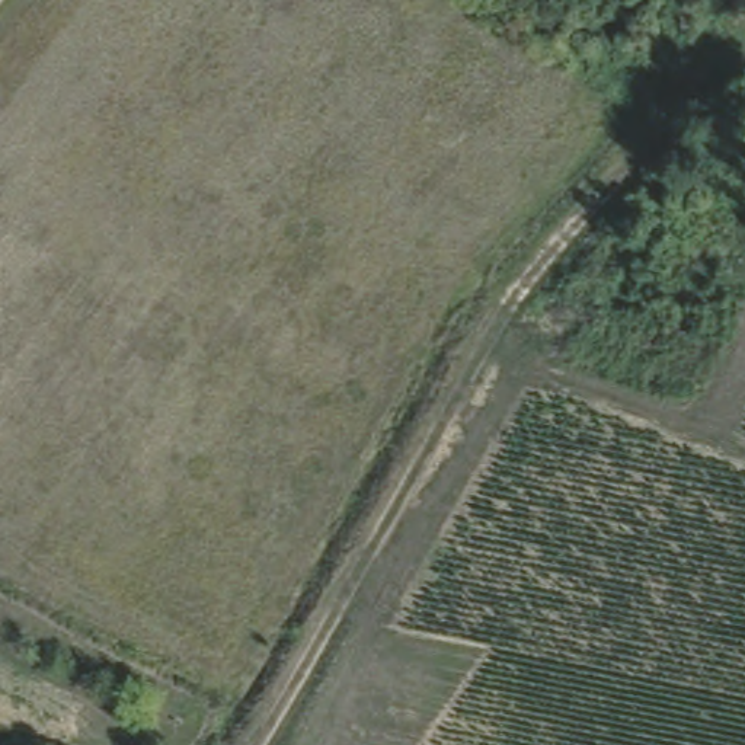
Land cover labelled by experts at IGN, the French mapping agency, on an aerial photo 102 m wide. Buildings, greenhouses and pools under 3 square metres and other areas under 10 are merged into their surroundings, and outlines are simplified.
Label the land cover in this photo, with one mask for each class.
<instances>
[{"label":"agricultural land","instance_id":"1","mask_svg":"<svg viewBox=\"0 0 745 745\"><path fill-rule=\"evenodd\" d=\"M605 108L597 102V93L585 90L582 79L565 76L562 67L533 64L527 55H521L518 47H506L503 41L492 38L489 26L466 20V15L454 9L448 0H0V576L12 579L20 591L38 594L44 602L73 614L76 620H87L96 629H113L122 640H131L134 646L169 655L166 664L175 675H186L215 690L227 687L244 696L259 669L265 666L282 632V623L294 611L308 573L320 562L335 527L340 524L352 501V492L361 486L375 454L381 451V439L393 428L399 407L407 405L422 387L434 352L439 349L451 355V349H457L469 338L471 323L483 314L486 297L503 294V288L538 250V244L567 215H582L585 227L599 236H629L640 221V183L649 172H655L646 157L643 163H626V151L605 131Z\"/></svg>","mask_w":745,"mask_h":745},{"label":"herbaceous vegetation","instance_id":"2","mask_svg":"<svg viewBox=\"0 0 745 745\"><path fill-rule=\"evenodd\" d=\"M585 227L582 215H567L538 244V250L503 288V294L486 297L483 314L471 323L469 338L457 349H451V355L439 349L434 352L422 387L407 405L399 407L393 428L381 439V451L375 454L361 486L352 492V501L340 524L335 527L320 562L308 573L294 611L282 623V632L265 666L259 669L244 696L227 687L215 690L186 675H175L166 664L169 655L134 646L131 640H122L113 629H96L87 620H76L73 614L44 602L38 594L20 591L12 579L0 576V728L20 722L29 725L35 733L64 745H105L108 730H113L111 716L96 701L84 698V690L49 684L35 669L38 640L44 637L70 643L90 658L125 664L128 669L151 678L157 684L154 690H160L163 698L157 728L146 730L151 745H486L495 736V728L480 719L457 716L454 710L471 687V681L477 678V672L483 669V664L489 661L492 646L457 634L407 629V614L422 588L437 579L431 567L437 559H442L448 535L457 527V518L471 509V498L489 477L495 457L503 451V439L512 434L515 413L527 402V396L547 390L550 396L585 402L599 413L623 419L632 428L655 431L666 442H675L701 457L722 460L745 471V303L739 308V338L733 343H722L719 352L710 358V387L690 405H669L664 396L634 393L602 378H588L582 375V364L570 358L567 349L553 346V338L565 329L553 323L550 314H527L524 320H512L518 303L530 297V291L547 276V271L559 262L567 244Z\"/></svg>","mask_w":745,"mask_h":745},{"label":"vineyard","instance_id":"3","mask_svg":"<svg viewBox=\"0 0 745 745\"><path fill-rule=\"evenodd\" d=\"M437 579L422 588L407 614V629L457 634L492 646L489 661L483 664V669L477 672V678L471 681V687L454 710L457 716L480 719L495 728V736L486 745H745V471L722 460L701 457L675 442H666L655 431L632 428L623 419L599 413L585 402L550 396L547 390L527 396V402L515 413L512 434L503 439V451L495 457L489 477L471 498V509L457 518V527L448 535L442 559H437L431 567Z\"/></svg>","mask_w":745,"mask_h":745},{"label":"brushwood","instance_id":"4","mask_svg":"<svg viewBox=\"0 0 745 745\"><path fill-rule=\"evenodd\" d=\"M454 9L466 15V20L489 26L492 38L503 41L506 47H518L521 55H527L533 64L562 67L565 76L582 79L585 90L597 93V102L605 108V131L626 151V163H643L646 157V148L655 140L658 128L675 113L678 93L728 73L730 64L745 52V0H448ZM640 221L629 236H599L585 227L567 244L559 262L547 271V276L530 291V297L518 303L512 320H524L527 314H550L553 323L565 329L553 338V346L567 349L570 358L582 364V375L588 378H602L634 393L664 396L669 405H690L710 387V358L719 352L722 343H733L739 338V308L745 303V224L736 221L733 204L725 195L698 198L690 207H681V201L666 198V169L655 172H649L640 183ZM35 669L49 684L84 690V698L96 701L111 716L113 730H108L105 745H151L146 730L157 728L163 698L160 690H154L157 684L151 678L128 669L125 664L90 658L70 643L44 637L38 640ZM0 745H64L35 733L29 725L20 722L0 728Z\"/></svg>","mask_w":745,"mask_h":745},{"label":"deciduous trees","instance_id":"5","mask_svg":"<svg viewBox=\"0 0 745 745\"><path fill-rule=\"evenodd\" d=\"M646 157L655 172L666 169V198L681 201V207H690L698 198L725 195L733 204L736 221L745 224V52L730 64L728 73L678 93L675 113L658 128L655 140L646 148Z\"/></svg>","mask_w":745,"mask_h":745}]
</instances>
